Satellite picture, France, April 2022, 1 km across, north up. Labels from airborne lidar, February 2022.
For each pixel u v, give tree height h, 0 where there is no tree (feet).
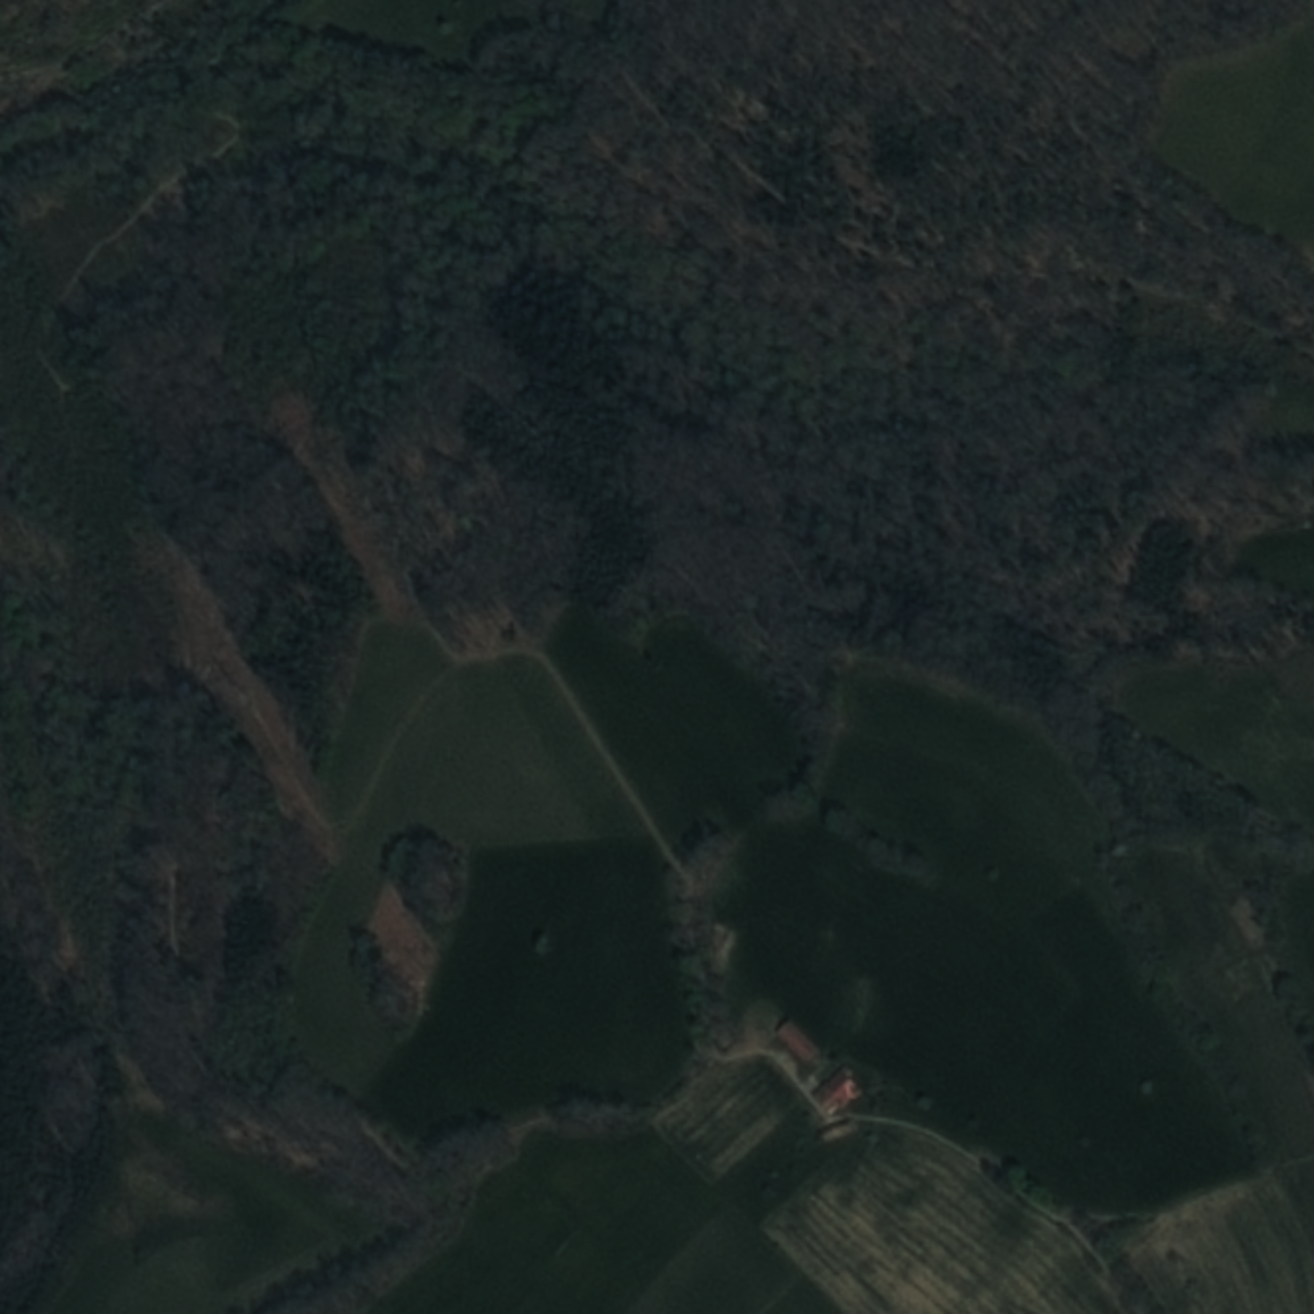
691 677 0
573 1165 0
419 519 90
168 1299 0
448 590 108
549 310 86
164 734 101
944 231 59
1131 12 110
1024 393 99
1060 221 87
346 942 0
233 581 117
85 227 0
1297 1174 0
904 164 58
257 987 60
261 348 25
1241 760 0
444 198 89
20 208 74
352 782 0
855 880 0
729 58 86
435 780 0
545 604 109
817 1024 0
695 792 0
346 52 92
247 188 99
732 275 123
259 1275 0
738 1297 0
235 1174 0
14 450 80
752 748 0
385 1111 0
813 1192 0
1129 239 101
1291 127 0
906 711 0
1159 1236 0
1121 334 65
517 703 0
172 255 104
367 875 0
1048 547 49
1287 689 0
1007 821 0
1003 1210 0
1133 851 33
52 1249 95
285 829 70
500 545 87
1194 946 0
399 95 92
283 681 75
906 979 0
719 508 108
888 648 76
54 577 0
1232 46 97
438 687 0
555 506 97
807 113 75
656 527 117
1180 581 60
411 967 0
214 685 0
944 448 69
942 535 46
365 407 62
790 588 125
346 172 95
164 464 96
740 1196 0
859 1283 0
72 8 47
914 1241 0
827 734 78
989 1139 0
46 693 83
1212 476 106
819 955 0
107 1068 113
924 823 0
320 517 94
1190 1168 0
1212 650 94
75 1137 91
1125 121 97
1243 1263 0
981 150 76
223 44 58
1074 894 0
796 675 100
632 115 107
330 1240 0
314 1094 101
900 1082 0
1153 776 68
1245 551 0
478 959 0
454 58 0
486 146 110
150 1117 0
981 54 89
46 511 75
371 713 0
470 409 112
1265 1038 0
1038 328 111
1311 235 0
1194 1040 31
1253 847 48
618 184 110
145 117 78
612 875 0
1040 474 73
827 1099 0
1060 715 98
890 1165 0
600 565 82
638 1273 0
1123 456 31
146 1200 0
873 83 46
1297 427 0
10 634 80
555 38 85
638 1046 0
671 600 94
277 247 100
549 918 0
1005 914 0
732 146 77
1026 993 0
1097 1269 23
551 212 60
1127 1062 0
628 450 85
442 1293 0
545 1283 0
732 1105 0
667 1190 0
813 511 82
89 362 55
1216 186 0
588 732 0
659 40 88
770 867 0
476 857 0
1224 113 0
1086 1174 0
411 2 0
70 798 59
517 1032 0
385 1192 114
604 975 0
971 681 88
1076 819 0
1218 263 99
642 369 114
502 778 0
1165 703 0
